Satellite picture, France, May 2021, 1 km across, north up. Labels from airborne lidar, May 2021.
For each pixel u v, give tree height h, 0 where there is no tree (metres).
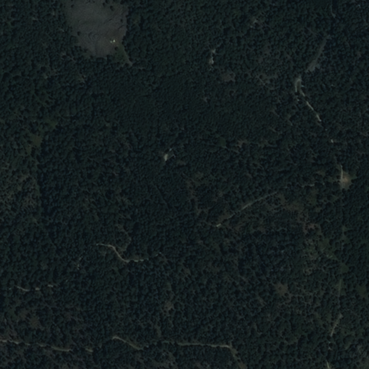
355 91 27
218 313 28
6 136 31
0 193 28
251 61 17
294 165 30
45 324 28
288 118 21
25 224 29
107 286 25
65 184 27
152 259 17
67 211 23
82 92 32
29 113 36
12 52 23
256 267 29
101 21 0
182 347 20
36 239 27
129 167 30
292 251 19
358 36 7
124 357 20
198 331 26
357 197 25
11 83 32
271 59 9
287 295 15
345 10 25
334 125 34
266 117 30
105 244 19
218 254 35
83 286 26
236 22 26
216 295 27
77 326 28
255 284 32
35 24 29
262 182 27
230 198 29
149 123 32
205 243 30
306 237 8
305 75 18
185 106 25
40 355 17
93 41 0
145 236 34
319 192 7
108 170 36
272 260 22
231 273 35
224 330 18
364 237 22
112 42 0
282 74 12
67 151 35
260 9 30
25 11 28
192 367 24
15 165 22
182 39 17
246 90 25
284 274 20
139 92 28
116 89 31
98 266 23
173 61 25
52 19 27
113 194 35
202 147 26
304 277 25
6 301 31
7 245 31
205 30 18
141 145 33
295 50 20
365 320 25
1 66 29
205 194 18
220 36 11
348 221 24
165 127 25
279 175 28
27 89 34
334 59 21
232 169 29
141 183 31
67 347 9
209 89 21
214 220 17
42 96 22
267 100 24
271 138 32
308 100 30
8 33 30
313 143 33
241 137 27
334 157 32
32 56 31
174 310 24
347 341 26
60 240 27
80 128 31
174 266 27
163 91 30
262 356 13
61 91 27
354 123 27
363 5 14
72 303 28
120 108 37
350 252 26
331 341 35
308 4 26
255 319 25
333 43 23
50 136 34
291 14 28
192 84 20
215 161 29
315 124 31
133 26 21
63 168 26
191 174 27
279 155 26
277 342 33
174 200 26
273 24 20
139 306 14
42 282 34
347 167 28
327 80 23
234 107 29
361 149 32
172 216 25
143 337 24
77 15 0
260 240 26
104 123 28
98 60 20
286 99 25
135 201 31
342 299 26
